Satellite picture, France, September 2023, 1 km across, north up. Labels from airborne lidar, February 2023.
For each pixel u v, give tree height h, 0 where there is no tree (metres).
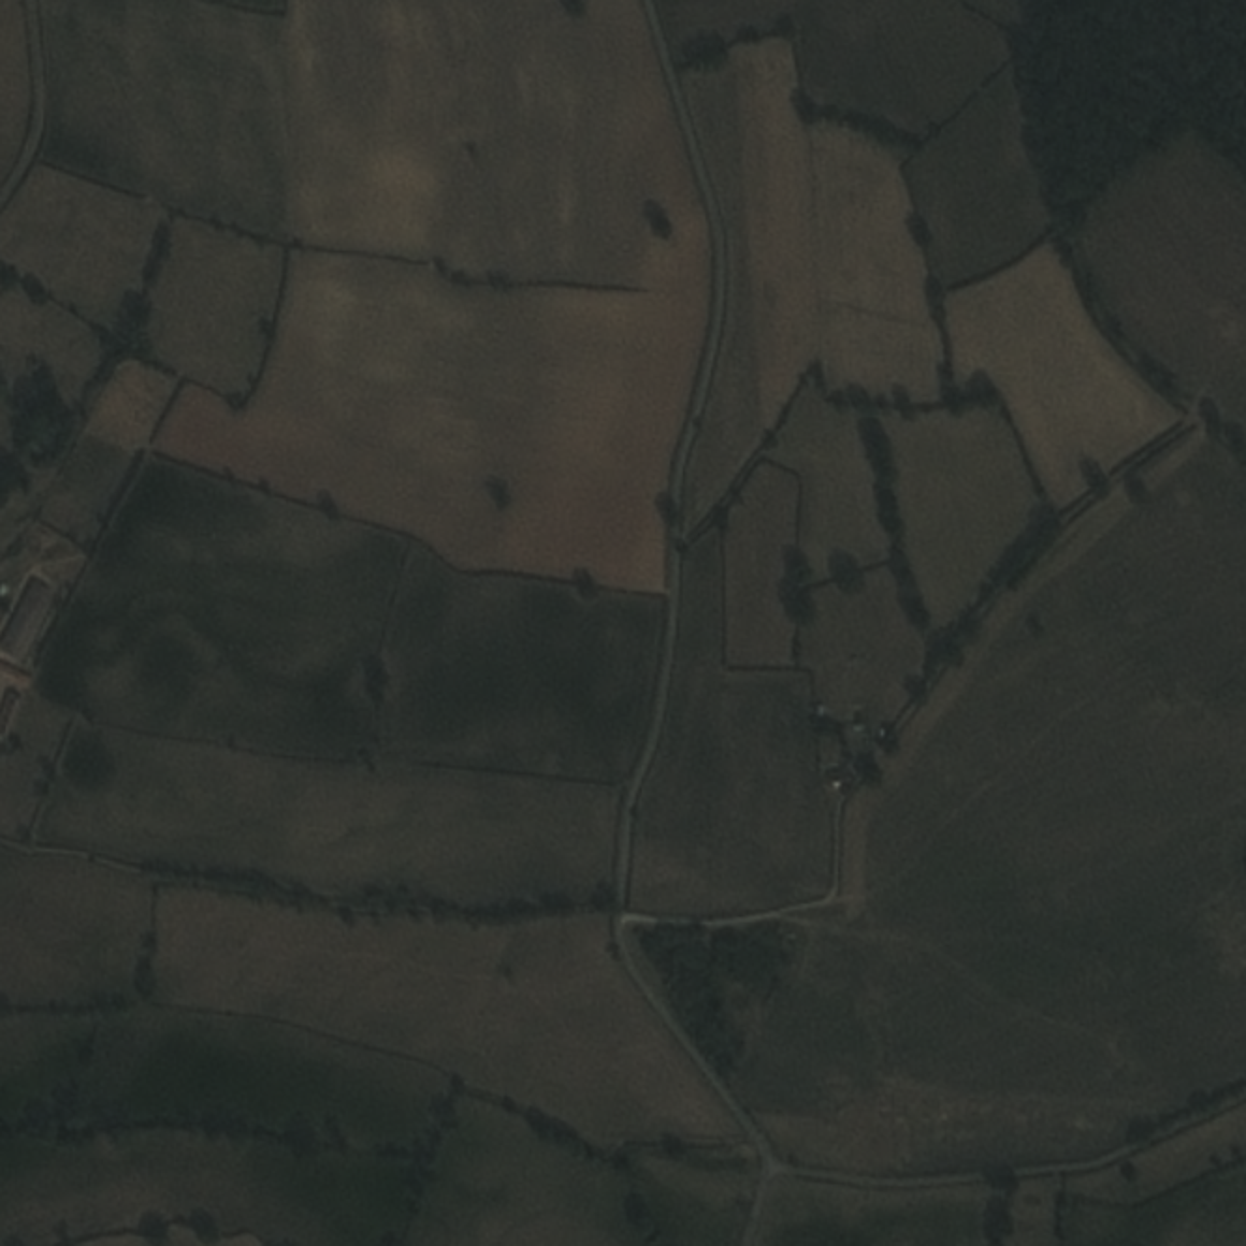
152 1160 0
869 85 0
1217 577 0
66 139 0
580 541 0
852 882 0
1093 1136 0
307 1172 0
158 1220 10
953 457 0
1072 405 0
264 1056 0
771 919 0
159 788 0
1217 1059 0
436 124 0
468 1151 0
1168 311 0
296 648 0
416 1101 0
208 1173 0
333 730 0
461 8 0
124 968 0
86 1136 13
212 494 0
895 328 0
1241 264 0
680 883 0
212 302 0
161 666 0
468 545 0
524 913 11
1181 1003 0
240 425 0
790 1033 0
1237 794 0
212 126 0
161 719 0
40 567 0
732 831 0
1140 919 0
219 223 10
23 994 0
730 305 0
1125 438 0
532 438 0
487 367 0
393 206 0
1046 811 0
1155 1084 0
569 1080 0
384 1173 0
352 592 0
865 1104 0
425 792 0
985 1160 0
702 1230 0
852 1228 0
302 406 0
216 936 0
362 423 0
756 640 0
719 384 0
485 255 0
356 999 0
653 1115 0
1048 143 23
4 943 0
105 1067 0
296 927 0
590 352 0
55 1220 0
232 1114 0
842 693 0
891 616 0
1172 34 32
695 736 0
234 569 0
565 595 0
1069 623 0
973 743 0
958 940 0
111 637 0
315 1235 0
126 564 0
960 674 0
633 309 0
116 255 0
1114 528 0
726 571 0
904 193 0
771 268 0
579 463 0
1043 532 18
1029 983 0
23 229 0
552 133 0
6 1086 0
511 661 0
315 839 0
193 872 11
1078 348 0
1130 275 0
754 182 0
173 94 0
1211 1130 0
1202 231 0
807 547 0
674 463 0
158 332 0
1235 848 0
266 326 8
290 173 0
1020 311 0
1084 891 0
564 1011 0
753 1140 0
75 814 0
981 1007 0
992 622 0
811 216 0
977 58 0
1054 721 0
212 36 0
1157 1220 0
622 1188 0
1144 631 0
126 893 0
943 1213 0
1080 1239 0
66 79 0
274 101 0
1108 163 28
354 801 0
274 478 0
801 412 0
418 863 0
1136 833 0
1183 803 0
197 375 0
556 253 0
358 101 0
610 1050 0
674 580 0
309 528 0
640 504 0
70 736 0
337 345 0
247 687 0
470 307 0
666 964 6
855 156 0
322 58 0
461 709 0
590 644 0
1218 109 27
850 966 0
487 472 0
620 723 0
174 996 0
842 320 0
